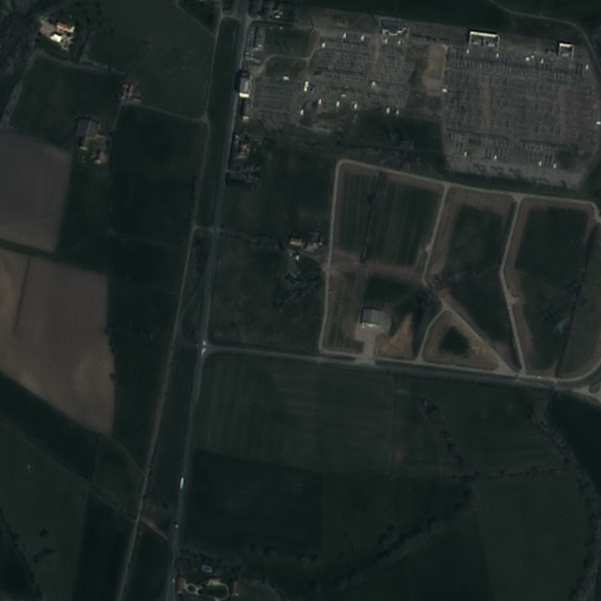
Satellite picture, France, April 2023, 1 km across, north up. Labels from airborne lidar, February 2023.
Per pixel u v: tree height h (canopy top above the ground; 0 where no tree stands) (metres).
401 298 0
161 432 0
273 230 0
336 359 0
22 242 0
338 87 0
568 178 0
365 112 0
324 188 0
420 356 0
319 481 0
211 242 0
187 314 0
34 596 0
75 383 0
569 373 0
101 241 0
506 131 0
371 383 0
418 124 0
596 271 0
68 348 0
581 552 0
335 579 0
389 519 0
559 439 20
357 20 0
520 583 0
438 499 0
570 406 0
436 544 0
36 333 0
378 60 0
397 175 0
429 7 0
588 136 0
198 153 0
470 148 0
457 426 0
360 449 0
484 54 0
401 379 0
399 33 0
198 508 0
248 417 0
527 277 0
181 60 0
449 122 0
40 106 0
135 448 0
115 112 0
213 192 0
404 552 15
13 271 0
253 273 0
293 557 0
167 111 0
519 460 0
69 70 0
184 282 0
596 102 0
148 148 0
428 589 0
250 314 0
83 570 0
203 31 0
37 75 0
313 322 0
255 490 0
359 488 0
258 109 0
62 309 0
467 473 9
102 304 0
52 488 0
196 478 0
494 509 0
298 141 0
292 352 0
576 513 0
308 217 0
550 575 0
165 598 0
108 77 0
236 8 0
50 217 0
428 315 21
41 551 0
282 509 0
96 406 0
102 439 0
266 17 13
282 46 0
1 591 0
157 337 0
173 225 0
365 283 0
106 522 0
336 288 0
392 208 0
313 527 0
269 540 0
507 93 0
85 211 0
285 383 0
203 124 0
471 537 0
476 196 0
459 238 0
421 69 0
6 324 0
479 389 0
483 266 0
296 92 0
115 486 0
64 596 0
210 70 0
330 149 0
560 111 0
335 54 0
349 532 0
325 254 0
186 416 0
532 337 0
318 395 0
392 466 0
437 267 0
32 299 0
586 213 0
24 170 0
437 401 0
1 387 0
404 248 0
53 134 0
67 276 0
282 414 0
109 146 11
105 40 0
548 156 0
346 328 0
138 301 0
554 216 0
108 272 0
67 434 0
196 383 0
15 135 0
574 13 0
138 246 0
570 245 0
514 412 0
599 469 0
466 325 0
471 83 0
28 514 0
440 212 0
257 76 0
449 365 0
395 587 0
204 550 0
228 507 0
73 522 0
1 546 0
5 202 0
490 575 0
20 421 0
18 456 0
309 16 0
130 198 0
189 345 0
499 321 0
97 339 0
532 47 0
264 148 0
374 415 0
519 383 0
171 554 0
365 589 0
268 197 0
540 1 0
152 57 0
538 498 0
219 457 0
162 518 0
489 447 0
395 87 0
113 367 0
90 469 0
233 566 0
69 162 0
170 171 0
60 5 20
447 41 0
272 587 5
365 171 0
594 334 0
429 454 0
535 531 0
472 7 0
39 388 0
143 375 0
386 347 0
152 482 7
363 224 0
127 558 0
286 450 0
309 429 0
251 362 0
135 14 0
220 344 0
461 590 0
